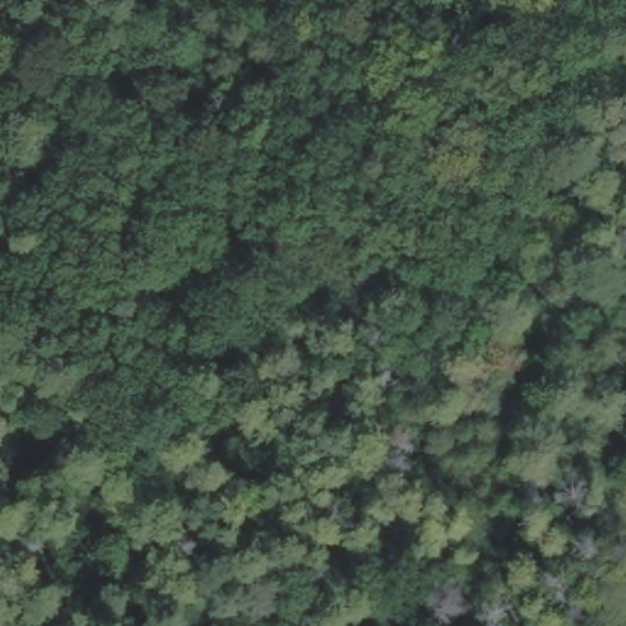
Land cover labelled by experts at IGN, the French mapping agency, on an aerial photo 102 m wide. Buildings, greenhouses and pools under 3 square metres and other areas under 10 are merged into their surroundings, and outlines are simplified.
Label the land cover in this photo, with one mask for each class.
<instances>
[{"label":"deciduous trees","instance_id":"1","mask_svg":"<svg viewBox=\"0 0 626 626\"><path fill-rule=\"evenodd\" d=\"M132 5V12L125 20V32L100 34L95 37L93 46H86L83 29L76 24L68 29V34H61V39L44 37L29 49L20 46L10 37H0V333L15 335L20 342H24V347L17 352L20 367L27 364L44 367L49 372H64L71 364H81L88 372L68 396L51 394L42 399L37 396V386L29 384L15 411H0V511L20 501L37 506L56 504V514L51 521L68 518L76 523V531L59 548H54V543L49 540L42 550H29L17 540L0 538V567L17 570L24 562H34L37 580L44 589H71V594L61 599L59 611L42 626H147V621H164L174 616L176 599L144 584L147 555L137 550L134 538L122 531L125 518H139L142 509L157 499L179 501L183 509H191L198 501V489L186 487L188 474L183 470H166L161 462V452L183 445L191 433L208 443L210 435L235 423L237 413L245 408L240 399L245 394H252L262 381V364L269 355L286 352L284 333L293 323L303 320L328 325L335 333L342 323H352V352H342V362H335L333 367L340 381H335V386L323 391L318 399L301 401L298 413H325V430L347 428L352 435H386L396 430L411 433V445L421 457V477L425 479V484L440 492L450 509H457V514H465L472 521V531L465 538L445 543V548L435 558H416L413 548L418 545L421 536L413 531L411 521L403 518H394L391 523L381 526L379 550H347L333 545L328 553V567L323 577L315 580V599L306 609V614L325 616L333 602V589L337 584H345V589L359 592L369 599V616L350 626H487V621H479L484 606L482 599L492 594L494 584L509 580V562L518 560L523 565L533 560L540 572L560 575L567 562L582 560L580 550L587 536L565 533L562 553L543 555V550L536 543L526 538V521L516 518L518 506L531 499L528 487L533 482L516 477L504 465L506 460L494 455L496 413L472 411L457 416V421L450 425H440L425 418L423 408L443 406V396L447 391H455V381L445 374V364H452L457 357L472 362L487 355L489 328L499 323L501 315L499 308H492V303L506 301L509 296H518V303L528 306V301L536 298V318L548 320L545 308H550L553 303L548 293L555 284L562 281V252L572 254L575 264L604 259L611 254L606 245H589L582 240L584 232H597L602 225H606L609 215L599 213L597 208H589L587 198L575 196V181H570L565 188H550L553 179L540 171V166L543 152L572 147L580 139H592V130L582 127L577 120V108H597L599 100H616L626 95V64H611L606 59L604 39L609 37V32L616 29L626 32V0H127ZM27 117L32 122L49 125L54 132L44 139L39 161L32 166H20L12 159L5 137H17ZM381 367H391V377L381 389V403L374 406V413H350V401L359 394V381L379 377ZM73 447L83 452H100L98 457L103 460V470L112 472L115 479L127 474V479L132 482V501H105L98 487H93L88 496L81 489L68 487L66 474L61 470L66 467V457L73 452ZM450 584H465L462 614L452 616L450 621H443L435 616V611L425 606V602L433 589ZM599 311L572 313L567 323L570 333L562 337V345L550 352L545 364V369L567 367L565 381H584V396L592 401H599L602 396L626 394V286L619 293H604L599 301ZM293 347L298 352V359L313 367L315 355L308 350L306 337L298 335L293 340ZM560 389L533 386L526 401L536 406L545 418H553V406L558 401ZM606 492L604 506L597 511L602 538H609L611 545L626 543V411L621 416V423L606 435V443L602 447ZM328 521L340 528L345 521L352 518L355 506L347 496H330ZM191 626H301L298 621L284 619L279 614H269L262 619L235 614L230 619H215L201 614V619Z\"/></svg>","mask_w":626,"mask_h":626},{"label":"coniferous trees","instance_id":"2","mask_svg":"<svg viewBox=\"0 0 626 626\"><path fill-rule=\"evenodd\" d=\"M132 12V5L127 0H0V37H10L20 46L29 49L44 37L61 39V34H68V29L76 24L83 29L86 46H93L95 37L100 34L125 32V20ZM606 59L611 64H626V32L616 29L609 32V37L604 39ZM577 120L582 127L592 130V139H580L572 147L543 152L540 166V171L553 179L550 188H565L570 181H575V196L587 198L589 208H597L599 213L609 215L606 225H602L597 232H584L582 240L589 245H606L611 254L604 259L575 264L572 254L562 252V281L555 284L548 293L553 303L550 308H545L548 320L536 318V298L528 301V306L518 303V296H509L506 301L492 303V308H499L501 315L499 323L489 328L487 355L472 362L457 357L452 364H445V374L455 381V391H447L443 396V406L423 408L425 418L440 425H450L457 421V416L472 411L496 413L494 455L506 460L504 465L516 477L533 482L528 487L531 499L518 506L516 518L526 521V538L536 543L543 550V555L562 553L565 533L587 536L580 550L582 560L567 562L560 575L540 572L533 560L523 565L518 560L509 562V580L494 584L492 594L482 599L484 606L479 621H487V626H626V543L611 545L609 538H602L597 511L604 506L606 492L602 447L606 443V435L621 423V416L626 411V394L602 396L599 401H592L584 396V381H565L567 367L545 369V364L550 352L562 345V337L570 333L567 323L572 313L599 311V301L604 293H619L626 286V95L616 100H599L597 108H577ZM533 386L560 389L558 401L553 406V418H545L536 406L526 401ZM54 132L49 125L32 122L27 117L17 137H5L12 159L20 166H32L39 161L44 139ZM298 335L306 337L308 350L315 355L313 367L298 359V352L293 347V340ZM286 352L269 355L262 364V381L252 394H245L240 399L245 408L237 413L235 423L210 435L208 443L191 433L183 445L161 452V462L166 470H183L188 474L186 487L198 489V501L191 509H183L179 501L157 499L142 509L139 518H125L122 531L134 538L137 550L147 555L144 584L176 599L174 616L164 621H147V626H191L201 619V614L215 619H230L235 614L262 619L269 614H279L284 619L298 621L301 626H350L369 616V599L359 592L345 589V584H337L333 589V602L325 616L306 614V609L315 599V580L323 577L328 567V553L333 545L347 550H379L381 526L391 523L394 518H403L411 521L413 531L421 536L418 545L413 548L416 558H435L445 548V543L465 538L472 531V521L465 514H457V509H450L440 492L425 484V479L421 477V457L411 445V433L396 430L386 435H352L347 428L325 430V413H298L301 401L318 399L323 391L335 386V381H340L333 367L335 362H342V352H352V323H342L335 333L328 325L303 320L293 323L284 333ZM330 496H347L355 506L352 518L345 521L340 528L328 521ZM24 347V342H20L15 335L0 333V411H15L29 384L37 386V396L42 399L51 394L68 396L88 372L81 364H71L64 372H49L44 367L27 364L20 367L17 352ZM391 377V367H381L379 377L359 381V394L350 401V413H374V406L381 403V389ZM100 452H83L73 447V452L66 457V467L61 470L66 474L68 487L81 489L88 496L93 487H98L105 501H132V482L127 479V474L115 479L112 472L103 470V460L98 457ZM56 514V504L37 506L20 501L0 511V538L17 540L29 550H42L49 540L54 543V548H59L76 531V523L68 518L51 521ZM71 594V589H44L37 580L34 562H24L17 570L0 567V626H42L59 611L61 599ZM465 584H450L433 589L425 602V606L435 611V616L443 621H450L452 616L462 614Z\"/></svg>","mask_w":626,"mask_h":626}]
</instances>
